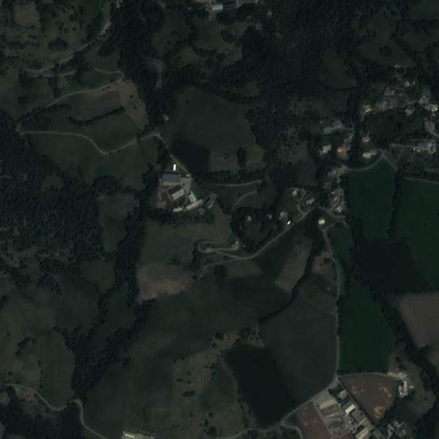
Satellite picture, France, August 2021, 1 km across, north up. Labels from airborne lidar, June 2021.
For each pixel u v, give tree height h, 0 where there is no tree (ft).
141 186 0
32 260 0
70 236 62
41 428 20
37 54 0
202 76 42
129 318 0
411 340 43
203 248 0
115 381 0
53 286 43
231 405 0
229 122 0
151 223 0
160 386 0
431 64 32
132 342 28
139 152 0
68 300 0
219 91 43
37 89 0
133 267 58
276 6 44
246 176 37
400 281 0
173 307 0
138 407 0
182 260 0
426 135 51
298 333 0
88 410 0
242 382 0
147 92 59
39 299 0
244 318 0
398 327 43
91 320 0
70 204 22
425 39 0
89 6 0
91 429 0
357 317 0
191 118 0
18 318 0
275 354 0
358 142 26
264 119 40
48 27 0
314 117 31
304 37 29
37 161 94
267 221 25
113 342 57
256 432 31
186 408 0
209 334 0
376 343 0
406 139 43
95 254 54
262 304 0
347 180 45
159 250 0
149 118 25
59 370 0
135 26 80
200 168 0
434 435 39
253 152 0
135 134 0
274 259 0
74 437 18
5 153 77
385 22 0
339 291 0
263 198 0
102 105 0
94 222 50
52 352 0
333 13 19
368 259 0
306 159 0
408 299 0
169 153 57
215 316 0
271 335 0
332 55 0
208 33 0
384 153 0
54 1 22
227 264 0
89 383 52
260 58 37
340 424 0
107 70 0
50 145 0
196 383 0
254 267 0
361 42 54
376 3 21
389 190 0
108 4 0
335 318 0
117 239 0
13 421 71
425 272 0
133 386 0
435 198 0
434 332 0
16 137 103
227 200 0
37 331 0
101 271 0
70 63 33
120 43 35
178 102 0
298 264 0
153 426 0
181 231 0
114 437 0
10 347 0
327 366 0
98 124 0
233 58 0
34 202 31
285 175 31
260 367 0
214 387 0
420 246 0
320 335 0
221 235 0
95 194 71
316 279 0
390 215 0
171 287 0
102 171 0
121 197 0
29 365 0
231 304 0
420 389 0
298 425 0
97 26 23
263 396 0
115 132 0
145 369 0
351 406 0
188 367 0
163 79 24
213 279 0
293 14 29
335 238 0
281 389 0
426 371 39
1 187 19
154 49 22
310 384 0
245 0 0
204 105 0
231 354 0
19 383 29
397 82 32
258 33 67
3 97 0
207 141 0
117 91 0
